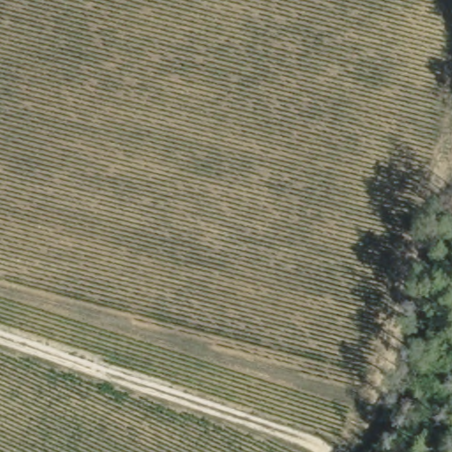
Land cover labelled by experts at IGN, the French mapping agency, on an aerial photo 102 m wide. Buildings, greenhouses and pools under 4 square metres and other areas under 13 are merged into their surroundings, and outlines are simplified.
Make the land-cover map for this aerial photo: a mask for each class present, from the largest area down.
<instances>
[{"label":"vineyard","instance_id":"1","mask_svg":"<svg viewBox=\"0 0 452 452\"><path fill-rule=\"evenodd\" d=\"M436 198H440L443 203L452 200V0H0V325L41 337L44 341L88 351L101 357L104 364L147 374L150 378H157L173 387L182 388L189 394L200 395L215 403L233 404L245 413L311 434L330 445V452H387L383 448V434L392 431V422L395 420L394 415L388 410V404H394L397 394L406 390L401 381L408 373L404 360L410 353L401 341L404 334L417 332L415 305L406 302V295H413L420 270L431 260V245H427L426 240V224L431 203ZM0 452H304L295 443L254 431L251 427L233 424L201 411L189 410L182 404L169 403L154 395L118 387L95 378L92 374L71 371L69 367L55 364L46 358L26 355L23 351L0 344Z\"/></svg>","mask_w":452,"mask_h":452},{"label":"coniferous trees","instance_id":"2","mask_svg":"<svg viewBox=\"0 0 452 452\"><path fill-rule=\"evenodd\" d=\"M426 240L427 245H431V260L420 270L413 295H406V302L415 305L417 332L404 334L401 341L410 353L404 360L408 373L401 381L406 390L397 394L394 404H388V410L394 415L395 420L392 422V431L383 434V448L387 452H452V200L443 203L440 198H436L431 203L426 224Z\"/></svg>","mask_w":452,"mask_h":452},{"label":"pervious surface","instance_id":"3","mask_svg":"<svg viewBox=\"0 0 452 452\"><path fill-rule=\"evenodd\" d=\"M0 344L23 351L26 355L46 358L55 364L69 367L71 371L92 374L95 378L118 387L154 395L169 403L182 404L189 410L201 411L233 424L251 427L254 431L295 443L304 452H330V445L311 434L245 413L233 404L215 403L200 395L189 394L182 388L173 387L157 378H150L147 374L104 364L101 357L88 351L44 341L41 337L0 325Z\"/></svg>","mask_w":452,"mask_h":452}]
</instances>
